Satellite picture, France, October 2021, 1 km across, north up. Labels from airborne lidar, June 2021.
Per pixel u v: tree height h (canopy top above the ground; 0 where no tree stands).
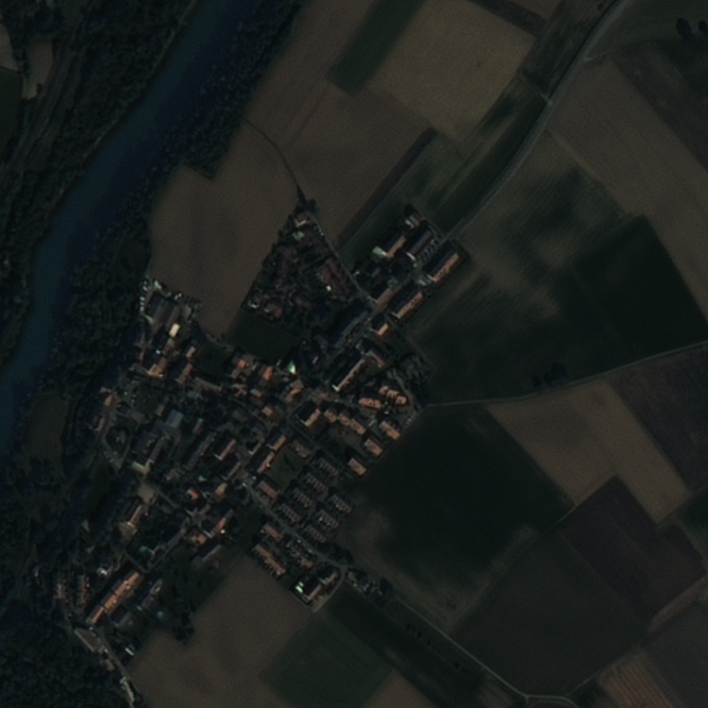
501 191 0
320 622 0
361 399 10
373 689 0
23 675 17
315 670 0
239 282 0
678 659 0
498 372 0
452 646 0
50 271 0
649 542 0
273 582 0
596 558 0
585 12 0
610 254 0
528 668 0
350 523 0
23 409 22
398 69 0
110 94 21
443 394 0
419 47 0
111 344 14
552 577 0
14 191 8
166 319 8
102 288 17
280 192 0
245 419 7
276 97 0
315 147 0
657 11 0
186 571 0
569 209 0
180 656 0
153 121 0
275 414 8
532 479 0
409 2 0
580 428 0
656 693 0
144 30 19
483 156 0
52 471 12
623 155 0
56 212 0
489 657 0
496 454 0
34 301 0
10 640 23
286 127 0
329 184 0
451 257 12
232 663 0
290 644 0
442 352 0
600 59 0
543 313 0
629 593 0
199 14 0
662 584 0
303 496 9
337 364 7
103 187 0
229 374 11
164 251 0
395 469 0
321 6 0
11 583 11
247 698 0
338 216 0
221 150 22
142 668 0
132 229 12
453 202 0
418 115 0
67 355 12
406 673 0
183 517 9
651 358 0
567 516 0
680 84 0
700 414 0
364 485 0
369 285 8
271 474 0
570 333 0
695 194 0
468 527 0
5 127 0
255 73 11
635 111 0
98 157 0
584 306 0
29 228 27
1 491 12
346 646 0
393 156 0
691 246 0
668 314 0
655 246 0
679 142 0
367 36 0
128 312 8
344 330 13
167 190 0
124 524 7
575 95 0
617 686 0
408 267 14
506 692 0
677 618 0
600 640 0
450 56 0
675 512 0
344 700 0
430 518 0
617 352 0
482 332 0
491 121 0
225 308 0
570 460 0
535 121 0
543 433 0
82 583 10
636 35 0
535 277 0
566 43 0
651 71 0
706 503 0
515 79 0
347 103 0
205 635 0
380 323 9
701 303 0
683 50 0
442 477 0
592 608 0
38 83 0
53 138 7
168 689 0
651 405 0
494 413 0
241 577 0
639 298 0
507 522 0
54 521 14
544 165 0
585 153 0
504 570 0
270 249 0
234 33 10
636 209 0
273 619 0
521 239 0
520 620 0
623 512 0
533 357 0
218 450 8
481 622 0
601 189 0
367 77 0
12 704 13
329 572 8
